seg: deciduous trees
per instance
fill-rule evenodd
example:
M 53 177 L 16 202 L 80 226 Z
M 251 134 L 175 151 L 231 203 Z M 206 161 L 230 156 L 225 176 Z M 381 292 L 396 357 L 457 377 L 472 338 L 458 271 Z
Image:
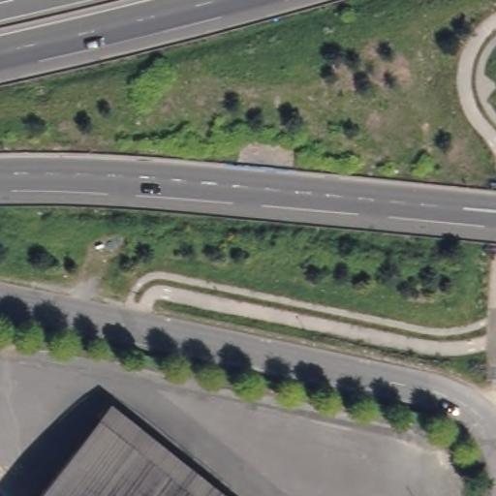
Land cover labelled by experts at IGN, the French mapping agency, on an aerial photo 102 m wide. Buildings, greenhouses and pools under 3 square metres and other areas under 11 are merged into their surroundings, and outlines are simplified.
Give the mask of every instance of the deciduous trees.
M 200 372 L 194 374 L 190 362 L 184 356 L 170 356 L 167 360 L 159 360 L 157 364 L 155 358 L 147 355 L 130 358 L 130 353 L 139 351 L 139 347 L 134 343 L 132 333 L 122 325 L 105 325 L 105 341 L 93 341 L 91 349 L 85 353 L 81 347 L 81 339 L 74 331 L 62 331 L 62 337 L 54 337 L 46 345 L 45 333 L 39 325 L 14 327 L 8 320 L 0 318 L 0 351 L 15 345 L 19 355 L 31 356 L 37 355 L 41 349 L 48 349 L 50 358 L 60 362 L 68 362 L 76 356 L 87 356 L 91 360 L 108 362 L 116 356 L 126 372 L 157 368 L 165 374 L 170 384 L 176 386 L 196 376 L 198 384 L 205 391 L 231 387 L 242 401 L 248 403 L 260 401 L 269 391 L 269 387 L 267 380 L 260 376 L 248 376 L 246 380 L 231 386 L 225 370 L 215 366 L 203 366 Z
M 310 401 L 322 417 L 335 417 L 339 411 L 345 409 L 337 393 L 337 386 L 318 389 L 306 395 L 304 387 L 300 384 L 287 384 L 275 391 L 275 399 L 285 409 L 298 409 L 306 401 Z
M 376 401 L 364 401 L 347 409 L 347 413 L 358 424 L 372 424 L 386 418 L 389 424 L 393 424 L 397 434 L 409 430 L 409 420 L 415 411 L 409 411 L 405 407 L 384 407 L 380 411 L 380 405 Z
M 492 479 L 484 469 L 477 479 L 467 477 L 463 480 L 463 496 L 484 496 L 492 488 Z
M 477 461 L 484 461 L 479 446 L 475 446 L 457 449 L 457 463 L 471 465 Z
M 446 418 L 436 418 L 432 424 L 422 428 L 432 446 L 438 446 L 446 451 L 449 444 L 455 440 L 457 426 L 461 422 L 448 415 Z

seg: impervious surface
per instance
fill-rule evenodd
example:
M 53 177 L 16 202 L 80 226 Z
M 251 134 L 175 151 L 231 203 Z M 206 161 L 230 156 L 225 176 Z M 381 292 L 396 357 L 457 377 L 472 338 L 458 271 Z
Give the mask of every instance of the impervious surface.
M 277 165 L 293 165 L 293 159 L 293 151 L 283 149 L 281 145 L 262 143 L 248 145 L 238 155 L 238 161 L 258 161 Z
M 231 29 L 273 15 L 289 14 L 308 6 L 322 4 L 327 0 L 0 0 L 0 89 L 15 83 L 37 81 L 45 77 L 95 68 L 101 64 L 118 62 L 122 58 L 141 60 L 155 46 L 169 45 L 221 29 Z
M 486 76 L 486 62 L 490 54 L 496 56 L 496 14 L 484 19 L 473 31 L 473 35 L 461 45 L 459 52 L 457 91 L 461 107 L 465 110 L 469 122 L 477 128 L 480 136 L 486 139 L 488 147 L 496 157 L 496 110 L 490 105 L 494 81 Z
M 116 356 L 108 362 L 91 360 L 87 356 L 76 356 L 68 362 L 60 362 L 50 358 L 48 349 L 41 349 L 37 355 L 31 356 L 19 355 L 15 345 L 0 351 L 0 496 L 43 496 L 48 486 L 72 461 L 77 449 L 85 444 L 85 440 L 97 428 L 101 418 L 107 415 L 108 409 L 116 409 L 128 420 L 132 420 L 147 436 L 151 436 L 163 448 L 169 449 L 174 457 L 178 457 L 186 467 L 200 475 L 201 479 L 207 480 L 223 496 L 463 496 L 463 480 L 467 477 L 477 479 L 484 469 L 492 479 L 492 488 L 484 496 L 496 496 L 496 176 L 486 180 L 488 190 L 477 190 L 384 178 L 362 178 L 355 174 L 339 176 L 335 172 L 324 170 L 306 170 L 256 169 L 207 161 L 176 159 L 163 153 L 143 153 L 141 157 L 132 157 L 95 153 L 0 153 L 0 207 L 27 207 L 29 203 L 105 203 L 300 221 L 316 223 L 316 227 L 339 229 L 343 234 L 353 234 L 355 231 L 378 232 L 386 236 L 436 238 L 436 242 L 442 238 L 442 234 L 455 234 L 459 236 L 461 244 L 475 244 L 486 254 L 490 254 L 494 260 L 490 269 L 486 316 L 479 322 L 457 327 L 409 324 L 401 320 L 380 318 L 355 310 L 325 306 L 318 302 L 306 302 L 281 294 L 252 291 L 236 285 L 205 281 L 169 271 L 145 273 L 130 287 L 128 296 L 114 293 L 108 287 L 101 289 L 95 277 L 89 277 L 87 281 L 77 281 L 72 287 L 46 281 L 27 281 L 15 275 L 0 277 L 0 318 L 8 320 L 14 327 L 39 325 L 45 333 L 46 345 L 54 337 L 62 337 L 62 331 L 74 331 L 81 339 L 81 347 L 85 353 L 91 349 L 93 341 L 105 341 L 105 325 L 122 325 L 132 333 L 134 343 L 139 347 L 139 351 L 130 353 L 130 358 L 147 355 L 155 358 L 157 364 L 159 360 L 167 360 L 170 356 L 184 356 L 190 362 L 194 374 L 200 372 L 203 366 L 215 366 L 225 370 L 231 386 L 246 380 L 248 376 L 260 376 L 267 380 L 269 387 L 269 391 L 260 401 L 248 403 L 242 401 L 231 387 L 205 391 L 198 384 L 196 376 L 176 386 L 170 384 L 165 374 L 157 368 L 126 372 Z M 254 296 L 271 302 L 291 304 L 298 308 L 318 310 L 335 316 L 399 327 L 428 335 L 459 335 L 480 327 L 486 329 L 486 335 L 471 341 L 451 343 L 422 341 L 376 329 L 329 322 L 322 318 L 300 316 L 293 312 L 170 287 L 153 287 L 143 294 L 143 298 L 138 302 L 136 291 L 153 279 L 169 279 L 205 289 Z M 192 318 L 186 314 L 174 314 L 169 310 L 157 310 L 153 306 L 157 300 L 170 300 L 198 306 L 203 310 L 215 310 L 275 324 L 335 333 L 395 349 L 413 349 L 426 355 L 459 356 L 482 353 L 486 356 L 488 382 L 484 386 L 477 386 L 465 380 L 465 376 L 455 370 L 440 370 L 428 364 L 399 360 L 364 349 L 345 349 L 308 339 L 287 337 L 279 333 L 267 333 L 252 327 L 223 324 L 203 318 Z M 339 411 L 335 417 L 322 417 L 310 401 L 306 401 L 298 409 L 285 409 L 275 399 L 275 391 L 287 384 L 300 384 L 304 387 L 306 395 L 318 389 L 337 386 L 337 393 L 345 409 Z M 389 424 L 386 418 L 372 424 L 358 424 L 347 413 L 347 409 L 364 401 L 376 401 L 380 405 L 380 411 L 384 407 L 405 407 L 409 411 L 415 411 L 409 420 L 409 430 L 397 434 L 393 424 Z M 461 422 L 457 426 L 455 440 L 449 444 L 446 451 L 438 446 L 432 446 L 422 428 L 432 424 L 436 418 L 446 418 L 448 415 Z M 471 465 L 457 463 L 457 449 L 475 446 L 479 446 L 484 461 L 477 461 Z

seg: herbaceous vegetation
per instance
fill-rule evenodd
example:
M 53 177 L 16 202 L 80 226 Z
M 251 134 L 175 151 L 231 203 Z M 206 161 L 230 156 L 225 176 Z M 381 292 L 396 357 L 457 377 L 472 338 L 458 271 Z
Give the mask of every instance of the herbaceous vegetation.
M 494 81 L 490 105 L 496 110 L 496 56 L 490 54 L 486 62 L 486 76 Z
M 484 386 L 488 382 L 486 356 L 482 353 L 459 356 L 426 355 L 413 349 L 395 349 L 335 333 L 275 324 L 215 310 L 203 310 L 198 306 L 170 300 L 157 300 L 153 306 L 157 310 L 169 310 L 174 314 L 186 314 L 192 318 L 203 318 L 223 324 L 252 327 L 267 333 L 279 333 L 287 337 L 308 339 L 345 349 L 364 349 L 399 360 L 428 364 L 440 370 L 455 370 L 465 376 L 465 380 L 477 386 Z
M 225 122 L 234 118 L 244 118 L 250 108 L 262 110 L 260 130 L 279 130 L 283 124 L 279 107 L 285 103 L 296 108 L 302 116 L 304 126 L 300 130 L 304 134 L 308 134 L 310 138 L 333 141 L 333 151 L 353 151 L 353 159 L 358 159 L 362 165 L 362 169 L 355 174 L 362 178 L 384 178 L 477 190 L 488 190 L 486 180 L 496 176 L 496 157 L 488 147 L 486 139 L 480 136 L 477 128 L 469 122 L 465 110 L 461 107 L 457 91 L 459 52 L 442 52 L 436 45 L 436 33 L 440 29 L 448 29 L 451 21 L 459 15 L 465 15 L 467 27 L 473 31 L 484 19 L 496 14 L 496 0 L 327 0 L 322 4 L 308 6 L 289 14 L 273 15 L 231 29 L 221 29 L 169 45 L 155 46 L 141 60 L 122 58 L 118 62 L 101 64 L 95 68 L 45 77 L 37 81 L 15 83 L 0 89 L 0 153 L 95 153 L 132 157 L 141 157 L 143 153 L 120 151 L 120 141 L 114 141 L 114 134 L 118 132 L 139 134 L 147 130 L 165 130 L 169 122 L 188 120 L 190 124 L 186 126 L 186 130 L 192 134 L 192 138 L 207 145 L 209 139 L 213 138 L 217 118 L 223 118 Z M 337 43 L 343 48 L 351 48 L 360 56 L 351 68 L 347 68 L 345 64 L 335 66 L 335 81 L 325 81 L 322 77 L 324 56 L 320 54 L 320 50 L 325 43 Z M 169 66 L 170 70 L 174 70 L 176 81 L 169 93 L 165 93 L 163 99 L 157 103 L 157 107 L 151 112 L 139 112 L 138 108 L 134 107 L 134 81 L 138 81 L 149 68 L 153 68 L 157 60 Z M 29 114 L 37 114 L 45 120 L 45 132 L 41 132 L 37 138 L 27 136 L 27 126 L 23 124 L 23 118 Z M 327 132 L 329 120 L 351 120 L 358 124 L 358 132 L 353 138 L 347 138 L 343 130 L 339 134 L 331 134 Z M 409 165 L 411 157 L 420 149 L 426 151 L 424 159 L 430 159 L 434 165 L 432 172 L 424 178 L 417 174 L 418 165 Z
M 207 161 L 256 169 L 306 170 L 293 159 L 293 165 L 277 165 L 258 161 L 238 161 L 238 155 Z
M 355 252 L 351 256 L 345 256 L 337 254 L 337 238 L 343 234 L 339 229 L 316 227 L 304 229 L 298 236 L 281 231 L 273 248 L 265 248 L 256 256 L 248 256 L 246 260 L 236 262 L 229 258 L 211 262 L 207 258 L 205 262 L 194 262 L 172 254 L 174 248 L 180 246 L 161 225 L 126 225 L 122 221 L 112 223 L 107 219 L 66 221 L 60 219 L 56 213 L 52 213 L 50 219 L 43 219 L 33 207 L 27 207 L 0 207 L 0 277 L 15 275 L 27 281 L 46 281 L 72 287 L 77 281 L 87 281 L 89 277 L 95 277 L 101 289 L 108 287 L 114 293 L 128 296 L 130 287 L 145 273 L 169 271 L 205 281 L 236 285 L 252 291 L 281 294 L 306 302 L 318 302 L 325 306 L 355 310 L 380 318 L 401 320 L 409 324 L 457 327 L 479 322 L 486 316 L 490 269 L 494 260 L 490 254 L 486 254 L 475 244 L 461 244 L 449 258 L 440 260 L 434 256 L 436 242 L 436 238 L 386 236 L 378 232 L 355 231 L 353 234 L 358 240 Z M 132 256 L 138 244 L 149 246 L 153 250 L 153 256 L 143 263 L 136 263 L 130 271 L 124 271 L 118 265 L 116 256 Z M 41 269 L 31 265 L 27 260 L 27 250 L 31 246 L 43 246 L 50 254 L 54 254 L 56 267 Z M 324 275 L 316 281 L 306 281 L 308 265 L 335 267 L 339 263 L 347 265 L 355 273 L 376 271 L 384 263 L 386 248 L 393 250 L 393 265 L 397 265 L 403 275 L 411 277 L 417 275 L 422 267 L 432 267 L 436 273 L 449 277 L 451 287 L 448 291 L 438 291 L 426 296 L 407 296 L 387 291 L 386 283 L 378 281 L 362 283 L 356 289 L 339 285 L 331 275 Z
M 136 291 L 138 302 L 143 298 L 143 294 L 153 287 L 170 287 L 293 312 L 300 316 L 322 318 L 329 322 L 376 329 L 422 341 L 451 343 L 471 341 L 486 335 L 486 329 L 480 327 L 459 335 L 428 335 L 399 327 L 335 316 L 318 310 L 298 308 L 291 304 L 271 302 L 254 296 L 205 289 L 169 279 L 153 279 Z

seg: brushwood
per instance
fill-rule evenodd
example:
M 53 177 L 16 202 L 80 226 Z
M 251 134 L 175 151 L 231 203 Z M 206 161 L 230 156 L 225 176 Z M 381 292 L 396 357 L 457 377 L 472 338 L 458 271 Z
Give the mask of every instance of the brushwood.
M 27 126 L 27 136 L 37 138 L 41 132 L 45 132 L 45 120 L 37 114 L 29 114 L 23 118 L 23 124 Z
M 329 120 L 327 132 L 331 134 L 339 134 L 343 130 L 347 138 L 353 138 L 358 132 L 358 124 L 351 120 Z
M 27 260 L 31 265 L 41 269 L 56 267 L 54 254 L 50 254 L 43 246 L 31 246 L 27 250 Z
M 459 236 L 455 234 L 442 234 L 442 238 L 436 242 L 434 256 L 440 260 L 449 258 L 461 244 Z
M 130 271 L 136 263 L 143 263 L 153 256 L 153 250 L 149 246 L 138 244 L 132 256 L 116 256 L 118 265 L 124 271 Z
M 378 281 L 386 283 L 387 291 L 407 296 L 426 296 L 438 291 L 448 291 L 451 287 L 449 277 L 436 273 L 432 267 L 422 267 L 417 275 L 411 277 L 403 275 L 397 265 L 393 265 L 393 250 L 386 248 L 384 263 L 376 271 L 355 273 L 347 265 L 339 263 L 335 267 L 308 265 L 306 281 L 316 281 L 324 275 L 331 275 L 339 285 L 356 289 L 362 283 Z
M 27 207 L 33 207 L 43 219 L 50 219 L 52 213 L 56 213 L 60 219 L 66 221 L 107 219 L 112 223 L 122 221 L 126 225 L 161 225 L 180 246 L 174 248 L 172 254 L 194 262 L 205 262 L 207 258 L 211 262 L 229 258 L 236 262 L 246 260 L 248 256 L 256 256 L 265 248 L 273 248 L 281 231 L 298 236 L 304 229 L 316 227 L 316 223 L 300 221 L 105 203 L 29 203 Z
M 337 254 L 345 256 L 351 256 L 355 252 L 358 240 L 353 234 L 343 234 L 337 238 Z
M 320 50 L 320 54 L 324 56 L 322 77 L 325 81 L 335 81 L 335 66 L 345 64 L 347 68 L 351 68 L 360 56 L 351 48 L 343 48 L 337 43 L 325 43 Z
M 434 165 L 430 159 L 424 159 L 426 151 L 420 149 L 411 157 L 409 165 L 418 165 L 417 174 L 424 178 L 432 172 Z
M 436 45 L 442 52 L 459 52 L 461 45 L 473 35 L 473 31 L 467 27 L 465 15 L 459 15 L 451 21 L 448 29 L 440 29 L 436 33 Z
M 188 120 L 169 122 L 165 130 L 147 130 L 139 134 L 118 132 L 114 134 L 114 141 L 120 141 L 120 151 L 143 153 L 163 153 L 176 159 L 207 161 L 238 155 L 248 145 L 262 143 L 281 145 L 283 149 L 293 151 L 293 159 L 306 170 L 324 170 L 335 172 L 339 176 L 355 174 L 362 169 L 362 165 L 358 159 L 353 159 L 353 151 L 333 151 L 333 141 L 310 138 L 308 134 L 304 134 L 300 130 L 304 126 L 302 116 L 296 108 L 285 103 L 279 107 L 283 124 L 279 130 L 260 130 L 262 110 L 250 108 L 244 118 L 234 118 L 225 122 L 223 118 L 217 118 L 213 138 L 209 139 L 207 145 L 192 138 L 192 134 L 186 130 L 186 126 L 190 124 Z
M 138 81 L 134 81 L 134 107 L 138 108 L 139 112 L 151 112 L 157 107 L 157 103 L 163 99 L 165 93 L 169 93 L 176 81 L 174 70 L 170 70 L 169 66 L 157 60 L 153 68 L 149 68 Z

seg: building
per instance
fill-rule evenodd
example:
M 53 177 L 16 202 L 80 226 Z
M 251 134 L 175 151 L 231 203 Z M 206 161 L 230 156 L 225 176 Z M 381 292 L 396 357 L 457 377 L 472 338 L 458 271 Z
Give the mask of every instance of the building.
M 116 409 L 108 409 L 107 415 L 101 418 L 97 428 L 85 440 L 85 444 L 77 449 L 72 461 L 48 486 L 43 496 L 223 496 L 207 480 L 201 479 L 200 475 L 186 467 L 178 457 L 174 457 L 169 449 L 163 448 L 151 436 L 147 436 L 132 420 L 128 420 Z

